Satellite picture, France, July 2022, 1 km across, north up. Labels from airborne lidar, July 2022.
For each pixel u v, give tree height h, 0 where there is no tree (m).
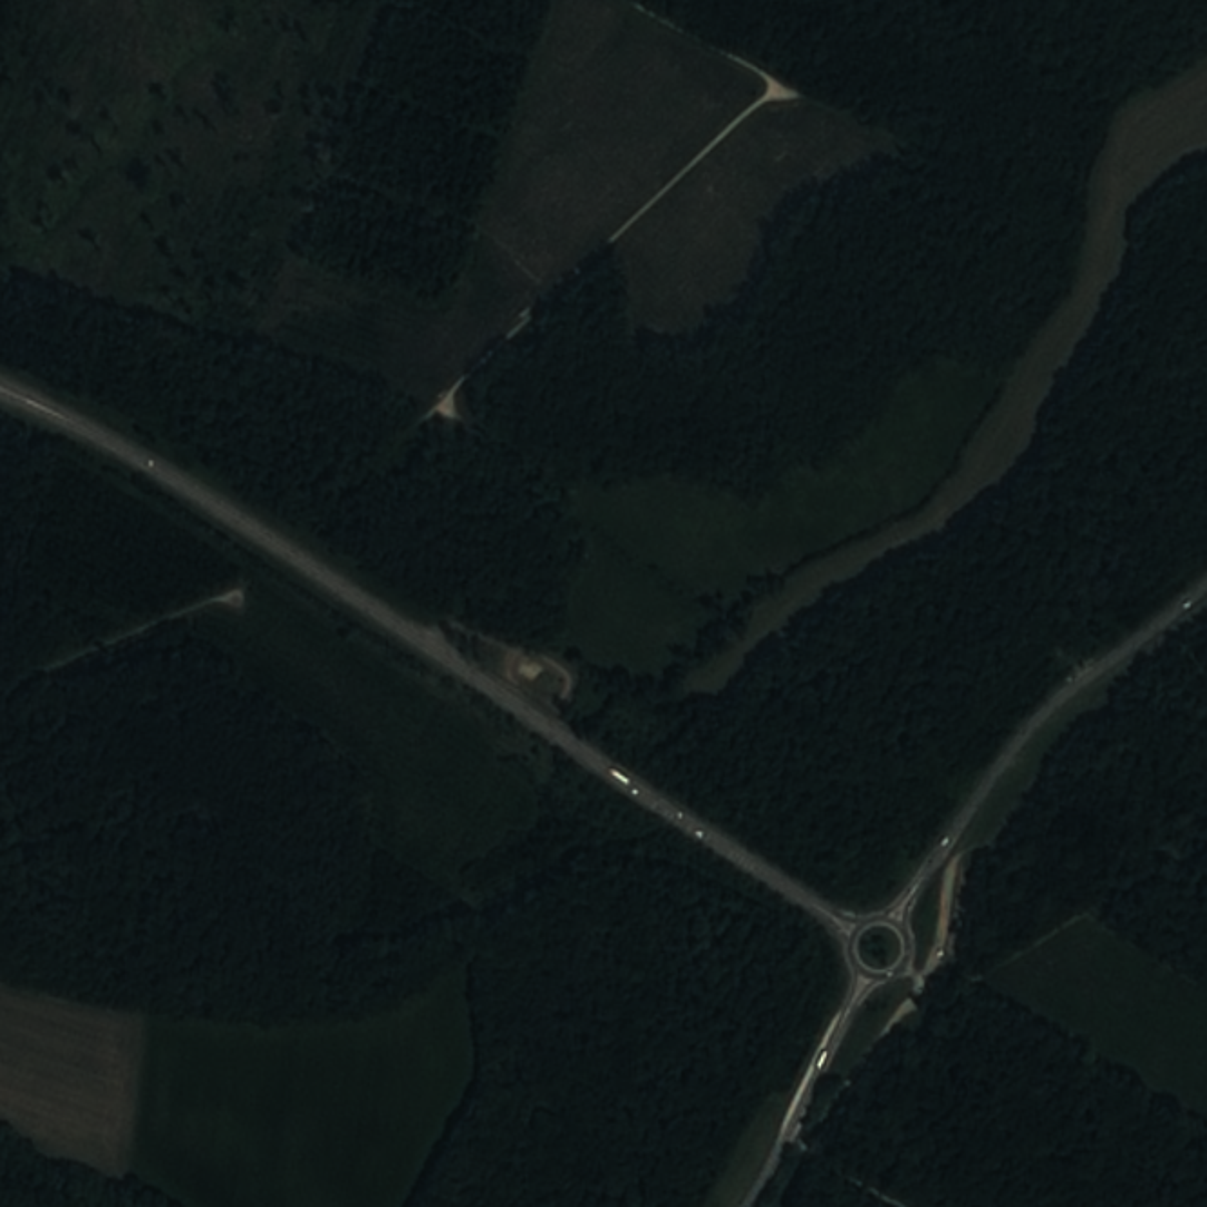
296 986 21
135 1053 0
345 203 18
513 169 0
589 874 22
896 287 22
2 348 21
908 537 0
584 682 7
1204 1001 0
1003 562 20
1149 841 15
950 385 0
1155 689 23
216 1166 0
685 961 16
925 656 16
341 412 20
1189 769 24
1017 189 22
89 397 12
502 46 20
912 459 0
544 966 22
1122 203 0
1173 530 19
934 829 8
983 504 14
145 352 13
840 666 16
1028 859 20
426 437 17
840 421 21
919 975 0
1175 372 14
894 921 0
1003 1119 21
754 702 19
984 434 0
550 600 19
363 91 14
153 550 12
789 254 24
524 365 24
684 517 0
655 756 15
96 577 8
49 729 21
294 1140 0
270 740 25
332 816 20
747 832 12
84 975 20
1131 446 23
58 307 22
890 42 20
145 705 23
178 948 24
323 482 23
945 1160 22
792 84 12
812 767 22
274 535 0
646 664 0
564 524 25
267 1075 0
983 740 10
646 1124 21
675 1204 20
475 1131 24
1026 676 8
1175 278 20
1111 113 17
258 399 21
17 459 24
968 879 11
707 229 0
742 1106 20
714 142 0
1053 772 10
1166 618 0
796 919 9
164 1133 0
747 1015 18
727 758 15
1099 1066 19
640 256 0
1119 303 18
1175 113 0
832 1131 14
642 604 0
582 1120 21
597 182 0
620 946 23
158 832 26
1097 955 0
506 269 0
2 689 18
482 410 19
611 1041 24
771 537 0
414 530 27
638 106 0
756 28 27
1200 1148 25
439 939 22
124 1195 20
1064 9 20
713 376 20
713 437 25
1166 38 20
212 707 27
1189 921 19
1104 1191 25
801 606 0
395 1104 0
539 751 13
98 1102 0
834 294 26
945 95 21
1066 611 18
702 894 15
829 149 0
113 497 9
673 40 0
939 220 26
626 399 22
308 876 27
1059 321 0
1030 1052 24
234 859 24
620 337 23
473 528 20
